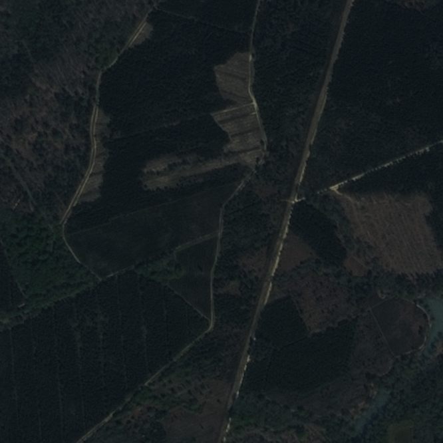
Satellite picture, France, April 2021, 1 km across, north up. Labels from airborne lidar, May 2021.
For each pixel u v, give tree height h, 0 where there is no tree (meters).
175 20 7
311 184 8
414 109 11
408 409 18
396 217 0
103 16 15
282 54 9
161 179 0
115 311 13
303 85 10
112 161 8
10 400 12
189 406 7
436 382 16
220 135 9
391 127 9
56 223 16
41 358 13
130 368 14
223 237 7
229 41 10
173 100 10
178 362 11
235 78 0
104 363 6
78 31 15
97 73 7
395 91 12
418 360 15
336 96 11
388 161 6
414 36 11
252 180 10
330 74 0
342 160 9
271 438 7
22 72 23
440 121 11
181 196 8
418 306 21
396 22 12
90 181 0
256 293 14
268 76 11
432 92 12
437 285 24
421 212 0
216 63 9
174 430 0
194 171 0
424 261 0
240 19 11
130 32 17
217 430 0
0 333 11
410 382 12
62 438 15
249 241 9
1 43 15
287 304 12
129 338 13
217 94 6
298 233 12
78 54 15
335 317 7
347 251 12
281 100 10
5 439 13
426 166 13
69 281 11
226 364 8
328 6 19
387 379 16
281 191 10
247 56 0
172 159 0
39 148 15
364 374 7
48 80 16
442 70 11
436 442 9
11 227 22
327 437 14
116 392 15
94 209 10
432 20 10
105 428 7
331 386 7
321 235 15
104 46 20
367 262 14
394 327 0
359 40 13
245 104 0
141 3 15
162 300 16
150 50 10
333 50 0
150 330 14
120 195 9
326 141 7
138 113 10
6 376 11
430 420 11
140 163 11
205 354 10
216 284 8
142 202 9
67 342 14
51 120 14
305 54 11
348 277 11
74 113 9
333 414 10
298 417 16
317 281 6
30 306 15
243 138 0
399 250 0
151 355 14
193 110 9
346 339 11
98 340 12
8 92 21
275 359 11
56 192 10
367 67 12
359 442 23
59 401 10
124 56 9
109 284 11
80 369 10
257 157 0
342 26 0
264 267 0
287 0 22
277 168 25
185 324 15
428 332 16
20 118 12
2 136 11
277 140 10
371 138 9
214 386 0
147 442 16
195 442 14
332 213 21
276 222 10
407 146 7
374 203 0
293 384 12
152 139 12
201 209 0
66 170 14
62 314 14
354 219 0
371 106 12
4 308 13
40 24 19
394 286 21
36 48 18
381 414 18
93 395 14
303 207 14
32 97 11
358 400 11
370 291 25
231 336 7
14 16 17
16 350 12
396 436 0
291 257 0
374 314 0
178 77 9
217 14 10
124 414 11
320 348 13
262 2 8
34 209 15
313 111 0
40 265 27
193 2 7
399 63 14
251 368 12
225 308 12
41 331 14
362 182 12
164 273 18
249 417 19
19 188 11
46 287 23
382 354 8
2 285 14
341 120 6
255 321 0
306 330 12
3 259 15
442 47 23
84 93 8
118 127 10
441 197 15
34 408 12
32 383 13
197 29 9
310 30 9
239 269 11
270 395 7
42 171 14
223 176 7
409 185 15
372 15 12
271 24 12
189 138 10
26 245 22
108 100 10
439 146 13
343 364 9
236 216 10
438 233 9
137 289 14
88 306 16
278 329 12
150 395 11
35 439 14
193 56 10
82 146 11
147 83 9
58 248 14
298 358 14
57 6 21
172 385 11
